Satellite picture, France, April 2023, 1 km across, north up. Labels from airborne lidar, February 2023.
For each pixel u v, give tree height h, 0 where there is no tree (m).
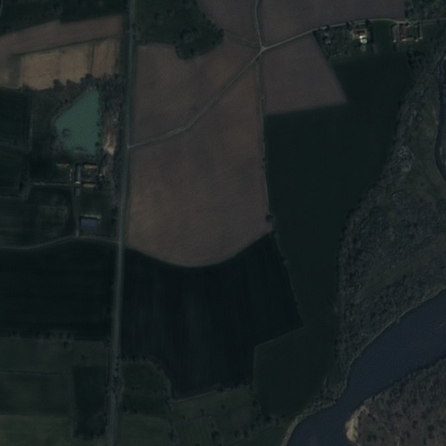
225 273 0
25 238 0
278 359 0
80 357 0
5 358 0
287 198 0
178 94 0
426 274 5
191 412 0
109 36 0
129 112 0
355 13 0
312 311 0
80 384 0
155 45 0
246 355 0
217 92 0
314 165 0
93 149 0
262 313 0
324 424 0
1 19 0
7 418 0
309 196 0
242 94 0
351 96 0
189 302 0
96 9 0
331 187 0
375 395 0
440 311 0
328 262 0
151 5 0
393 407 21
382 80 0
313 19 0
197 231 0
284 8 0
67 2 0
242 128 0
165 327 0
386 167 8
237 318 0
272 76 0
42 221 0
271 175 0
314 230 0
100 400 0
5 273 0
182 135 0
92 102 0
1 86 0
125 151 0
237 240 0
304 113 0
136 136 0
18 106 0
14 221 0
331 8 0
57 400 0
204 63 0
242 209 0
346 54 8
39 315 0
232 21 0
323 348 0
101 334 0
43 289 0
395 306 6
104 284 0
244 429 0
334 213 0
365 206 19
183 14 0
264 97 0
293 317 0
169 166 0
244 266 0
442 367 15
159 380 0
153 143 0
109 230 0
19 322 0
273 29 0
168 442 0
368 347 0
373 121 0
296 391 0
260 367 0
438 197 0
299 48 0
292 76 0
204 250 0
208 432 0
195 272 0
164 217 0
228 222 0
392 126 0
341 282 13
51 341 12
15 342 0
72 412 0
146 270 0
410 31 0
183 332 0
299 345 0
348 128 0
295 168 0
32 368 0
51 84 0
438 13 21
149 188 0
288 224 0
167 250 0
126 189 0
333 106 0
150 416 0
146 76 0
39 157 0
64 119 0
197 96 0
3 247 0
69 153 0
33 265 0
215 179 0
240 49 0
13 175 0
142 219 0
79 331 0
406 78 0
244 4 0
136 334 0
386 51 0
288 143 0
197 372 0
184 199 0
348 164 0
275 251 0
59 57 0
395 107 0
